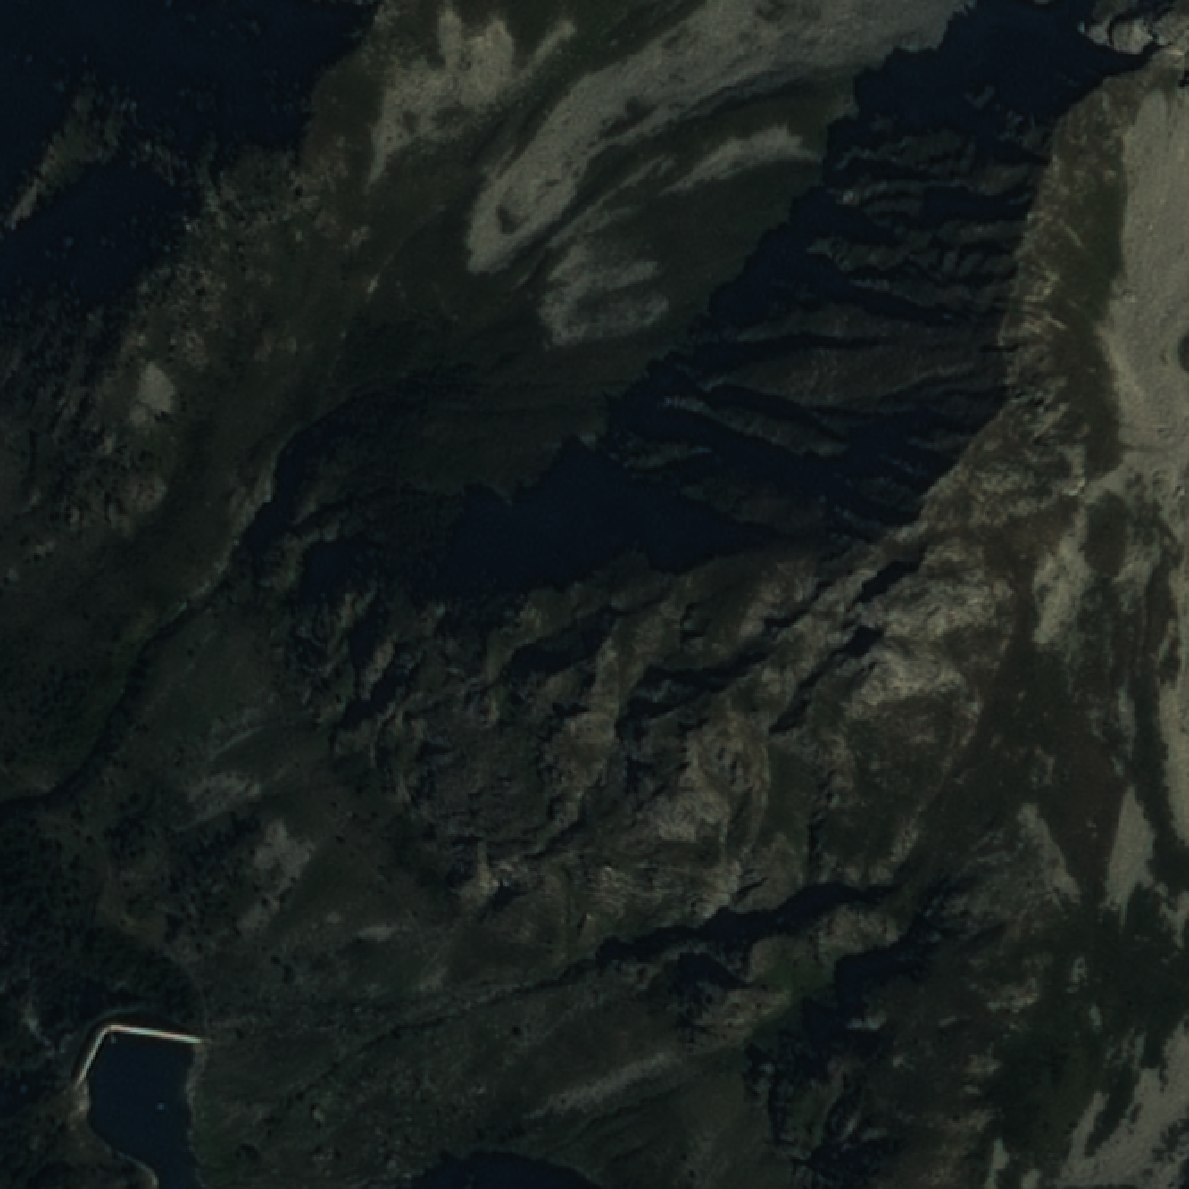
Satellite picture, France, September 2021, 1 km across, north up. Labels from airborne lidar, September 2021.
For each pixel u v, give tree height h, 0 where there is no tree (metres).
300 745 0
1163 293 0
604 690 0
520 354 0
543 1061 0
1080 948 0
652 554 0
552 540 6
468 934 0
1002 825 0
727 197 0
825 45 0
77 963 8
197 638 0
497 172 0
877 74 0
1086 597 0
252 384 0
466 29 0
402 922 0
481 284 0
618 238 0
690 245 0
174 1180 0
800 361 0
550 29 0
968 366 0
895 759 0
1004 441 0
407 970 0
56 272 9
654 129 0
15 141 16
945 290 0
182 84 11
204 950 9
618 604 0
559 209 0
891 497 0
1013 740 0
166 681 0
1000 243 0
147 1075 0
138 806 10
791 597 0
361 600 8
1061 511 0
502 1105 0
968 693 0
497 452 0
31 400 8
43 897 6
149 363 0
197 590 0
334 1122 0
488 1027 0
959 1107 0
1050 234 0
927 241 0
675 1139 0
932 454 0
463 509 0
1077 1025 0
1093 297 0
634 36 0
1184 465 0
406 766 0
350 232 0
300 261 0
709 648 0
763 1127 0
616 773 0
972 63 0
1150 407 0
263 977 0
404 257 0
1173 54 0
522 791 0
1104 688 0
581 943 0
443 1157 0
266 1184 0
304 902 0
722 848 0
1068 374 0
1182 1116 0
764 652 0
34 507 7
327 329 0
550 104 0
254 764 0
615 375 0
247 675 0
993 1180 0
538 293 0
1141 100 0
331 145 0
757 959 0
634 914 0
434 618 0
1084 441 0
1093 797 0
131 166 6
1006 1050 0
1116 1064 0
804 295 0
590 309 0
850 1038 8
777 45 0
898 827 0
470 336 0
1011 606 0
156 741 0
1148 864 0
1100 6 0
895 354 0
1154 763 0
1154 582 0
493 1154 0
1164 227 0
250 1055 0
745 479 0
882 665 0
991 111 0
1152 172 0
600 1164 0
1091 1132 0
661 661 0
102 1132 0
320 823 0
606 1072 0
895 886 0
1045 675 0
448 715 0
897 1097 0
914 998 0
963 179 0
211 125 6
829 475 0
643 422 0
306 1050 0
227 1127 0
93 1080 0
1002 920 0
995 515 0
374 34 0
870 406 0
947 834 0
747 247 0
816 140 0
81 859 6
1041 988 0
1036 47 0
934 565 0
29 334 7
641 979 9
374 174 0
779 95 0
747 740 0
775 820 0
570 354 0
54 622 0
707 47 0
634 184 0
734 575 0
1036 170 0
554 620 0
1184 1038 0
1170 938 0
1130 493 0
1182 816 0
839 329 0
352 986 0
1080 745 0
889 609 0
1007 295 0
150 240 12
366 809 0
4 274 8
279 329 0
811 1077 9
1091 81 0
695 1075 0
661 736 0
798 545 0
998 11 0
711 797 0
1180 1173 0
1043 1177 0
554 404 0
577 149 0
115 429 0
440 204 0
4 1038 11
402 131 0
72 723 9
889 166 0
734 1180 0
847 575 0
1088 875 0
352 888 0
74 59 13
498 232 0
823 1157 9
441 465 0
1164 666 0
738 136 0
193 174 18
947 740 0
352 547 6
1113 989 0
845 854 0
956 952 0
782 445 0
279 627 0
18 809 5
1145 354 0
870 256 0
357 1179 0
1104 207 0
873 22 0
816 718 0
